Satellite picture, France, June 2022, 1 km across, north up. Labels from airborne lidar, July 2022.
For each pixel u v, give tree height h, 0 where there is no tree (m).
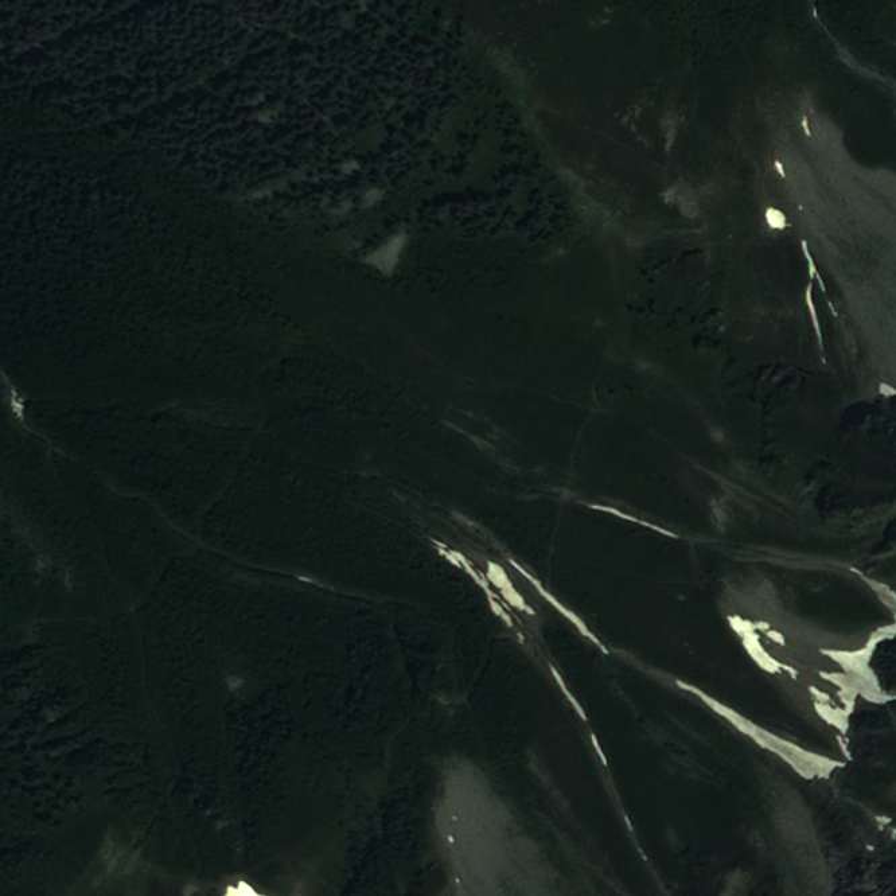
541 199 9
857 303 0
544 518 0
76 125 8
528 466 0
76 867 0
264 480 6
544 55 0
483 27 0
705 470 0
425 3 19
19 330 11
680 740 0
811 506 0
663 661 0
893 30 0
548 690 0
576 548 0
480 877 0
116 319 9
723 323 0
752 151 0
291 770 0
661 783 0
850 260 0
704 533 0
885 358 0
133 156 10
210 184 25
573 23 0
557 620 0
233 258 6
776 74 0
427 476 0
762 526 0
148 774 6
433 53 7
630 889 0
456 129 0
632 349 0
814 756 0
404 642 6
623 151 0
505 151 13
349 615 7
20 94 16
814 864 0
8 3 36
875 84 0
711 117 0
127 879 0
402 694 6
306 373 7
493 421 0
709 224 0
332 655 6
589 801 0
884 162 0
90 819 0
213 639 6
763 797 0
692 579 0
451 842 0
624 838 0
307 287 0
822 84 0
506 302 0
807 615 0
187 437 9
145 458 8
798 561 0
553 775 0
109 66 30
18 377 6
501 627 6
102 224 9
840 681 0
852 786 0
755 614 0
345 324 0
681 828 0
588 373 0
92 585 0
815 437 0
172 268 8
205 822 0
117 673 7
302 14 24
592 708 0
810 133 0
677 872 0
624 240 0
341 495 6
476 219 24
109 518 6
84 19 25
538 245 8
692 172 0
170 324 9
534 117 0
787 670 0
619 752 0
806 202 0
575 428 0
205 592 6
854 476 0
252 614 7
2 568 7
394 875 0
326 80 25
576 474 0
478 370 0
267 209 9
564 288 0
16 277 14
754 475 0
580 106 0
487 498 0
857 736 0
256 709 6
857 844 0
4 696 8
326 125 21
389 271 0
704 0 6
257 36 17
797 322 0
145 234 9
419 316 0
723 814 0
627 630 0
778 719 0
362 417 7
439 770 0
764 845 0
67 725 8
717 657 0
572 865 0
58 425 8
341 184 10
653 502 0
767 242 0
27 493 7
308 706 7
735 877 0
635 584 0
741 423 0
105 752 14
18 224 8
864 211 0
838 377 0
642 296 0
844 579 0
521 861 0
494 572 0
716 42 6
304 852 0
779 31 0
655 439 0
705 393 0
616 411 0
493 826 0
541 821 0
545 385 0
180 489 7
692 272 0
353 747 5
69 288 11
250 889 0
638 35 0
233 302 8
